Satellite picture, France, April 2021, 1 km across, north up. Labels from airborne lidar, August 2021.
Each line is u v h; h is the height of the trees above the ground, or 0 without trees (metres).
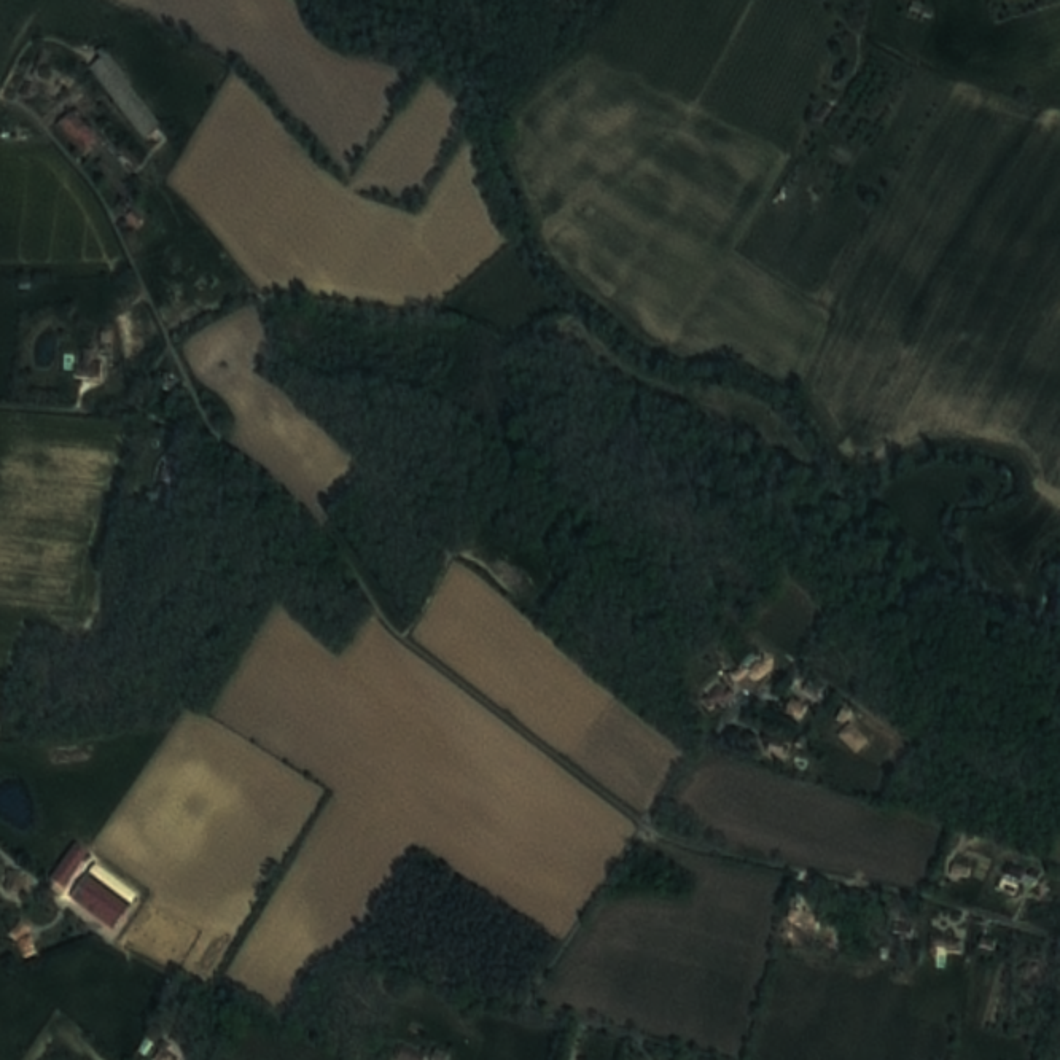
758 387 27
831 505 28
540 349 18
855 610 24
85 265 0
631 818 0
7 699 14
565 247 0
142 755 0
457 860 0
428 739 0
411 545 19
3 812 0
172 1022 20
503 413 10
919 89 0
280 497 24
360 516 20
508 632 0
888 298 0
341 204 0
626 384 19
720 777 0
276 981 0
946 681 25
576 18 14
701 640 22
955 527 12
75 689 15
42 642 13
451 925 14
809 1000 0
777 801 0
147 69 0
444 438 23
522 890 0
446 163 13
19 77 6
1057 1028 17
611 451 19
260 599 19
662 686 21
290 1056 0
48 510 0
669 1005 0
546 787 0
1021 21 0
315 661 0
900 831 0
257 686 0
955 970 0
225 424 19
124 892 0
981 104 0
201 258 0
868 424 0
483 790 0
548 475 21
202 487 23
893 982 0
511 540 15
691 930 0
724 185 0
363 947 16
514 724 0
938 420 0
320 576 20
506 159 12
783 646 0
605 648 16
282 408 0
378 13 13
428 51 19
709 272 0
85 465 0
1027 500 0
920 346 0
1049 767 23
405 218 0
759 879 0
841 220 0
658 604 30
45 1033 0
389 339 10
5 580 0
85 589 0
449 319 22
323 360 6
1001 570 0
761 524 20
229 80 0
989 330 0
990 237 0
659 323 0
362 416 17
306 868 0
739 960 0
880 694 20
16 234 0
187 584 19
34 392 12
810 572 19
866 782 0
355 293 0
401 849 0
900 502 0
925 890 12
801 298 0
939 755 17
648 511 19
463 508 17
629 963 0
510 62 14
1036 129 0
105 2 0
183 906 0
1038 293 0
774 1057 0
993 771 20
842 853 0
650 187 0
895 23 0
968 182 0
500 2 14
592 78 0
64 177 0
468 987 17
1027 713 27
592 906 11
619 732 0
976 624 30
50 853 0
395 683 0
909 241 0
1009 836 20
